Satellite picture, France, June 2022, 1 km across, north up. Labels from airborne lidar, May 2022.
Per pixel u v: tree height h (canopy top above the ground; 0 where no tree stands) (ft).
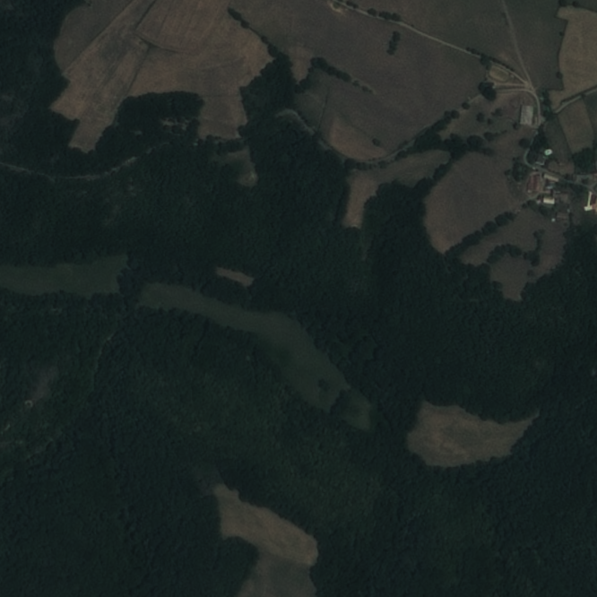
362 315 91
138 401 45
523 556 64
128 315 43
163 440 49
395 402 57
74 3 37
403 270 54
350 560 82
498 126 0
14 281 0
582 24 0
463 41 0
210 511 61
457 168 0
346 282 42
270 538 0
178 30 0
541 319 52
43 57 26
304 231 33
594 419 59
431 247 39
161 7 0
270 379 57
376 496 56
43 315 37
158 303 0
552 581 60
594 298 71
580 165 22
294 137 65
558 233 0
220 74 0
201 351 45
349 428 56
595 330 53
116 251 83
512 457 26
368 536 49
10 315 37
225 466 68
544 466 81
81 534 55
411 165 0
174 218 39
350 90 0
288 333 0
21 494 90
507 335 50
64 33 0
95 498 87
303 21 0
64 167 48
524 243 0
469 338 61
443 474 66
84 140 0
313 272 62
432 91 0
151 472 80
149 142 51
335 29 0
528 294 42
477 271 48
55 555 53
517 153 0
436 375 78
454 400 77
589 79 0
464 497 57
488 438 0
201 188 50
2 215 33
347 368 54
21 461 90
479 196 0
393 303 44
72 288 0
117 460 92
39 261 82
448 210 0
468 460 0
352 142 0
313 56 0
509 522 72
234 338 81
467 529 56
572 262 47
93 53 0
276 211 77
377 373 93
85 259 83
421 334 54
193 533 60
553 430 65
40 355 38
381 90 0
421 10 0
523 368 26
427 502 44
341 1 32
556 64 0
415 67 0
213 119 0
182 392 46
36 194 57
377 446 56
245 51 0
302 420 52
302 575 0
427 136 31
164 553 83
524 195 0
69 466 82
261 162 70
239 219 43
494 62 31
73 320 76
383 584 90
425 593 65
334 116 0
